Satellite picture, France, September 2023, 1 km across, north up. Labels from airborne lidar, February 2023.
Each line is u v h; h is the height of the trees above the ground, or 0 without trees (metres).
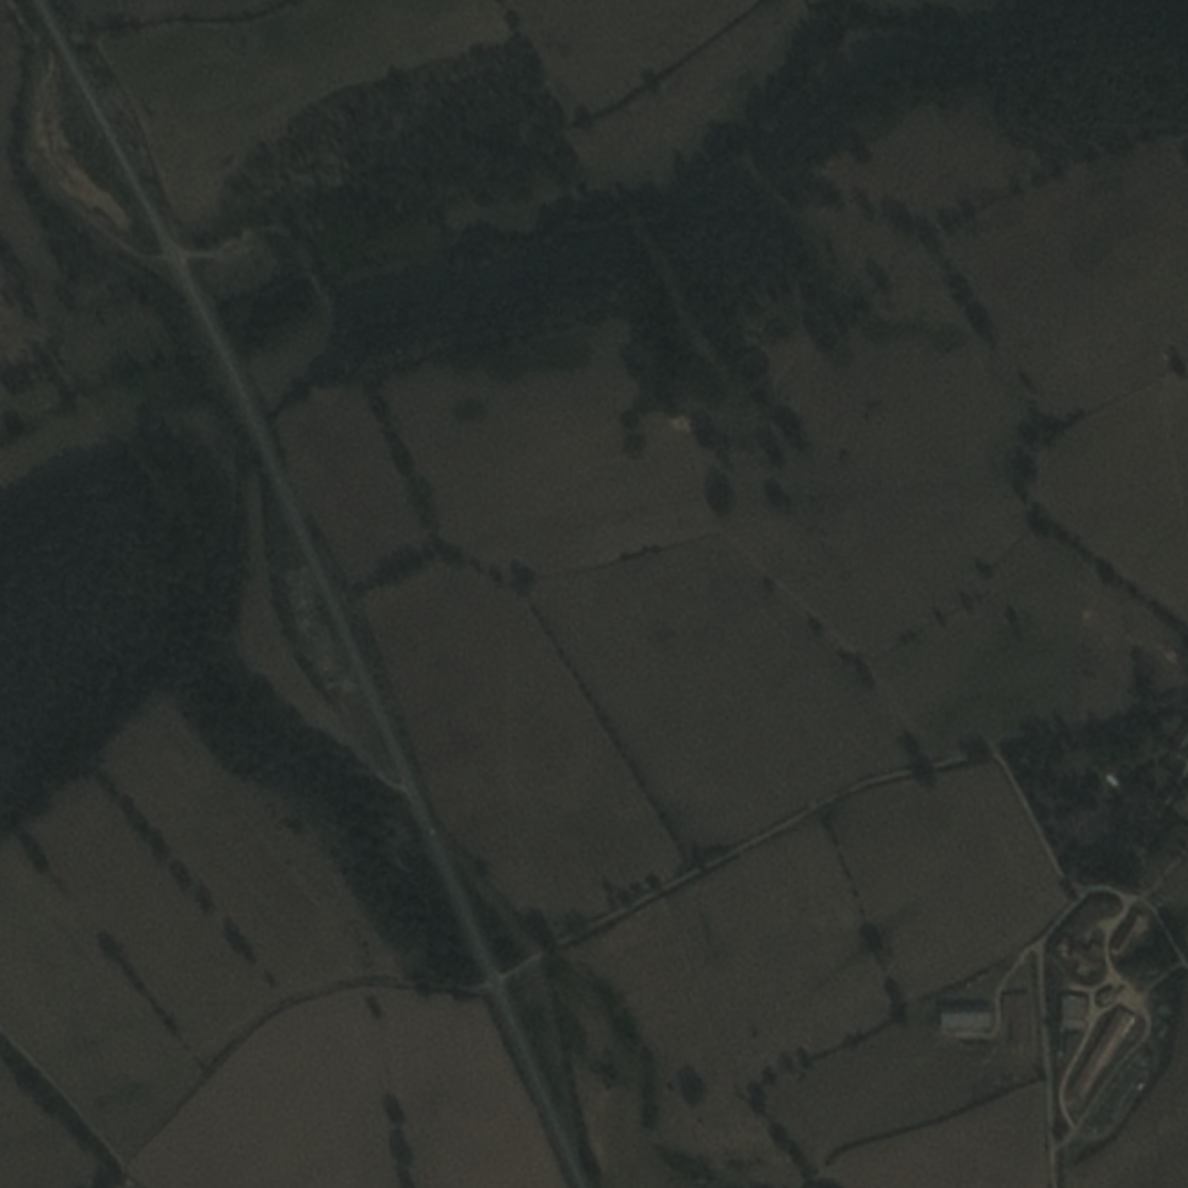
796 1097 0
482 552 0
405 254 0
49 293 0
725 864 0
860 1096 0
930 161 0
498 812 0
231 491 0
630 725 0
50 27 0
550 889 0
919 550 0
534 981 0
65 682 11
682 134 0
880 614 0
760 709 0
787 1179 0
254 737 12
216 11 0
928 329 0
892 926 0
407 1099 0
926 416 0
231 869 0
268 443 0
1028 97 8
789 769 0
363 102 15
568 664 6
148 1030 0
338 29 0
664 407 15
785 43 0
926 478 0
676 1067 0
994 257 0
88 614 10
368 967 0
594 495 0
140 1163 0
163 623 20
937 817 0
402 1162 15
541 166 19
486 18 0
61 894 0
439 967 11
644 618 0
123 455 17
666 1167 0
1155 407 0
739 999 0
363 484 0
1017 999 0
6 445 0
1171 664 0
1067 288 0
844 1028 0
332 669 0
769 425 0
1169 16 24
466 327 21
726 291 13
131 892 0
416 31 0
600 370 0
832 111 7
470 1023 0
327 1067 0
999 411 0
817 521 0
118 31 12
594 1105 0
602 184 0
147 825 11
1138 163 0
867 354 0
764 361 6
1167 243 0
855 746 0
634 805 0
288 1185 0
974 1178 0
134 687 19
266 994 0
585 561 0
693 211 22
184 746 0
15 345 0
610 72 0
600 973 0
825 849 0
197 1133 0
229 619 9
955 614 0
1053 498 0
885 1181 0
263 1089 0
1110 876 12
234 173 0
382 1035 0
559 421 0
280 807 0
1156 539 0
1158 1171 0
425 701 0
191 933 0
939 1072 0
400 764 0
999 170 0
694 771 0
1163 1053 0
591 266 20
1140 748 15
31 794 20
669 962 0
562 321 16
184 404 0
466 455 0
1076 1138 0
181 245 0
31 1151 0
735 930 0
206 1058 0
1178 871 0
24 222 0
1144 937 0
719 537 0
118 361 0
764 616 0
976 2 0
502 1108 0
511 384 0
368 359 17
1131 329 0
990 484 0
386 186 23
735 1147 0
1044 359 0
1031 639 0
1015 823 0
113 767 0
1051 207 0
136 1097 0
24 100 10
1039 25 21
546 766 0
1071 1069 0
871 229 0
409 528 0
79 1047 0
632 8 0
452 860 0
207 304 0
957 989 0
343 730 0
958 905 0
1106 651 0
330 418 0
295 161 12
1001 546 0
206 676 21
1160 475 0
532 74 15
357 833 14
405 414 0
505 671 0
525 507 0
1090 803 11
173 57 0
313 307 0
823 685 0
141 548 21
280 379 0
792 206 17
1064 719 0
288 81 0
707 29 0
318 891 0
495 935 7
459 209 0
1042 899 0
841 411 0
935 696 0
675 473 0
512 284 25
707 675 0
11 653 16
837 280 0
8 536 19
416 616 0
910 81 18
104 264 11
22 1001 0
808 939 0
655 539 0
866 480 0
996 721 0
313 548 0
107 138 0
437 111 12
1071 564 0
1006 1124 0
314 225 21
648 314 17
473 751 0
